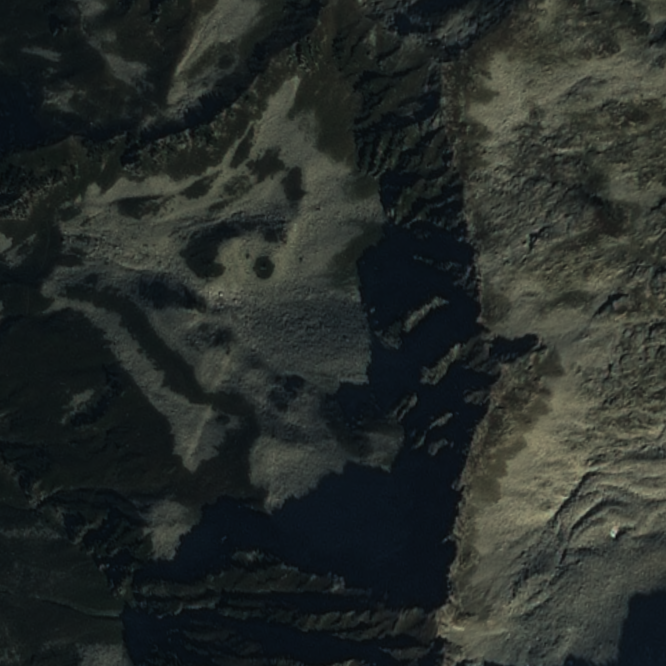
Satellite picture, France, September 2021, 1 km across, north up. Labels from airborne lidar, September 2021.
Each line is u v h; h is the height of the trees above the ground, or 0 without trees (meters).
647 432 0
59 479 0
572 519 0
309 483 0
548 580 0
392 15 0
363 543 0
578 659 0
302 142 0
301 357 0
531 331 0
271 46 0
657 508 0
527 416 0
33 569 0
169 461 0
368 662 0
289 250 0
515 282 0
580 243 0
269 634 0
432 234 0
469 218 0
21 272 0
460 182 0
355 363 0
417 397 0
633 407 0
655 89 0
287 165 0
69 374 0
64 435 0
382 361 0
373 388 0
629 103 0
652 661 0
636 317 0
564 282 0
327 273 0
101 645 0
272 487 0
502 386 0
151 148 10
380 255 0
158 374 0
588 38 0
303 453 0
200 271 0
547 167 0
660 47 0
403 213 0
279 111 0
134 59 0
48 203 0
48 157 0
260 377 0
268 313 0
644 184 0
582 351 0
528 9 0
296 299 0
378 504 0
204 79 0
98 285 0
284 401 0
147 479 0
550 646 0
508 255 0
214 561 8
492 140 0
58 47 0
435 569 0
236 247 0
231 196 0
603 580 0
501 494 0
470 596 0
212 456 0
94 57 0
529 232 0
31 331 0
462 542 0
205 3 0
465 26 0
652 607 0
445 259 0
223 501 0
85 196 0
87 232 0
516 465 0
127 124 0
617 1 0
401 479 0
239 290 0
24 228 0
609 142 0
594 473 0
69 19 0
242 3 0
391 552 0
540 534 0
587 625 0
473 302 0
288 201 0
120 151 0
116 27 0
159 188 0
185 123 0
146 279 0
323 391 0
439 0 0
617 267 0
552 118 0
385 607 0
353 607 0
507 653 0
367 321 0
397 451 0
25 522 0
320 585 0
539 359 0
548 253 0
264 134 0
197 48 0
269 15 0
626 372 0
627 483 0
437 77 0
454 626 0
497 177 0
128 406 0
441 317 0
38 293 0
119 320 0
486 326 0
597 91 0
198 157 0
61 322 0
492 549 0
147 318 0
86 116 0
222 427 0
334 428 0
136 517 0
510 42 0
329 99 0
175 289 0
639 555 0
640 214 0
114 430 0
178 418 0
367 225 0
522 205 0
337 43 6
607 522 0
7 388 0
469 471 0
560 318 0
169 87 0
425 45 0
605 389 0
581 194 0
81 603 0
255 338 0
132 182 0
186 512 0
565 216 0
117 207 0
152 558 0
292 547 0
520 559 0
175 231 0
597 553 0
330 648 0
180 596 0
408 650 0
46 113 0
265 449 0
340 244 0
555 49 0
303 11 0
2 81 0
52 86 0
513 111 0
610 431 0
